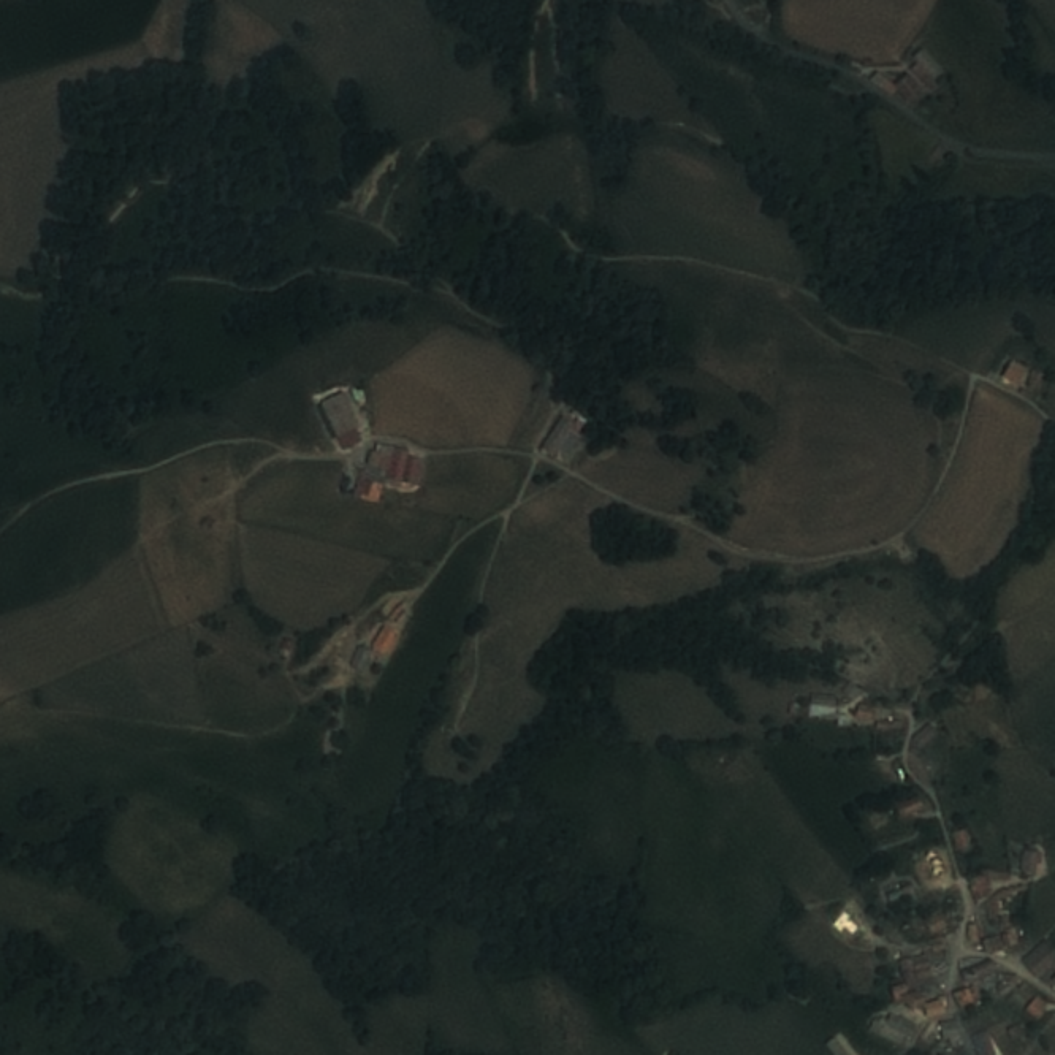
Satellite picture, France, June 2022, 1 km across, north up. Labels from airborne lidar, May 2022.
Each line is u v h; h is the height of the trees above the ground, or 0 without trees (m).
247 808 0
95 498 0
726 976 0
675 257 0
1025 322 18
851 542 0
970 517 0
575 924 25
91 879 16
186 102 12
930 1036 0
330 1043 0
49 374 10
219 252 21
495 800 23
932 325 0
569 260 15
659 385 14
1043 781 0
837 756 12
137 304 0
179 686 0
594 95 21
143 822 0
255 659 0
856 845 0
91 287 11
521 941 20
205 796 7
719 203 0
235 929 0
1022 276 16
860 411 0
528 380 0
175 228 13
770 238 0
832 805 0
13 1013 0
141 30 0
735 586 12
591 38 7
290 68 18
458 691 0
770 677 15
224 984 11
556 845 24
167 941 16
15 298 0
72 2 0
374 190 0
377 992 17
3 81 0
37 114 0
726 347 0
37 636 0
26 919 0
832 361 0
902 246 16
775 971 0
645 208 0
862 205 16
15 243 0
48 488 0
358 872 10
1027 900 6
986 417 0
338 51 0
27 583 0
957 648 8
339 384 0
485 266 11
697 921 0
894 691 0
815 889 0
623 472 0
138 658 0
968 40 0
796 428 0
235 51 0
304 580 0
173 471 0
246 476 0
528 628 0
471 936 0
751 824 0
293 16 0
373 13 0
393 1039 0
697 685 17
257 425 0
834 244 16
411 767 9
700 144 0
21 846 10
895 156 0
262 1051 0
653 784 0
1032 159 0
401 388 0
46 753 0
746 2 0
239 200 12
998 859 0
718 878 0
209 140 16
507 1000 0
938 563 11
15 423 0
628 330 12
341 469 0
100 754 0
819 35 0
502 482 0
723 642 12
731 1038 0
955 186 0
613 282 12
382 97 0
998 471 0
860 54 0
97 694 0
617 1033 0
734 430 19
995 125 0
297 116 18
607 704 28
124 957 0
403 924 16
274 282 15
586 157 0
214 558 0
